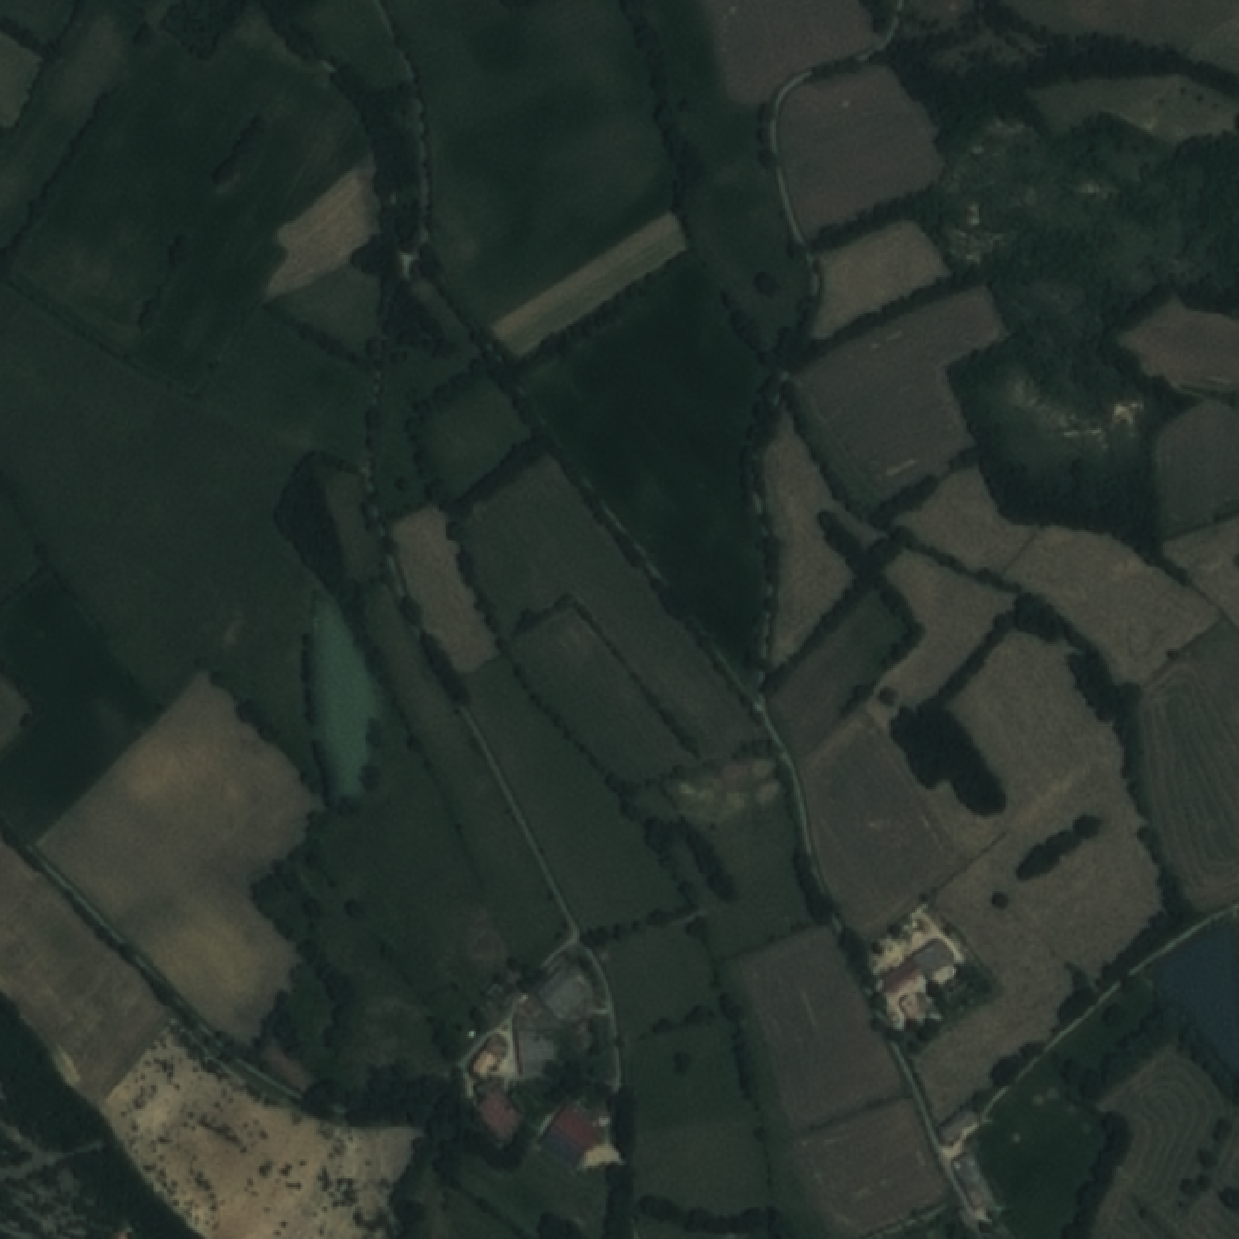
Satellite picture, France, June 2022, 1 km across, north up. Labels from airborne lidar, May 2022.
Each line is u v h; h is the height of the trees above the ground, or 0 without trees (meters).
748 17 0
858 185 0
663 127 12
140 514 0
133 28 0
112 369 0
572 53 0
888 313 13
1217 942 0
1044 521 17
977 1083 0
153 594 0
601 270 0
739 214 0
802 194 0
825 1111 0
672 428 0
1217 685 0
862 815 0
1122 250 0
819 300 9
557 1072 14
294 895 21
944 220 10
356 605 11
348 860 0
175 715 0
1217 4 0
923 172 0
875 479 0
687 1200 0
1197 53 0
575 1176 0
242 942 0
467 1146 14
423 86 13
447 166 0
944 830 0
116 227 0
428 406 17
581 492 10
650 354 0
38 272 0
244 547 0
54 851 0
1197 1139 0
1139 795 23
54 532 0
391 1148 0
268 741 13
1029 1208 0
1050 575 0
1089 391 7
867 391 0
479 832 0
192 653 0
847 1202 0
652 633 0
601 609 0
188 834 0
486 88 0
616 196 0
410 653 0
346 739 0
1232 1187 0
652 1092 0
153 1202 15
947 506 0
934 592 0
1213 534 0
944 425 0
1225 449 0
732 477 0
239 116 0
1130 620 0
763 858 0
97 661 0
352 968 0
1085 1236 15
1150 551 13
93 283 0
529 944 0
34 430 0
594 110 0
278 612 0
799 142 0
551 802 0
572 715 0
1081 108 0
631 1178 14
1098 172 7
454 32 0
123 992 0
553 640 0
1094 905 0
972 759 14
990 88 13
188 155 0
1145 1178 0
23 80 0
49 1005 0
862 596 13
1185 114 0
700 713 0
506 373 14
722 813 0
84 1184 9
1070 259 8
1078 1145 0
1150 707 0
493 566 0
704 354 0
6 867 0
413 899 0
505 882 0
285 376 0
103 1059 0
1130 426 0
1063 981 0
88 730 0
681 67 0
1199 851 0
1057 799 0
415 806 0
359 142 0
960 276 6
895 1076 0
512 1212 0
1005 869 0
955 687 14
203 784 0
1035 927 0
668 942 0
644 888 0
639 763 0
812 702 0
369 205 0
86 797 0
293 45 11
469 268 0
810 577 0
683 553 0
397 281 14
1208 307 12
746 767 0
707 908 0
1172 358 0
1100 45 10
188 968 0
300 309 0
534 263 0
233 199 0
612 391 0
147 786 0
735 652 0
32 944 0
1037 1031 0
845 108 0
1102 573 0
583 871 0
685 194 16
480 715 0
